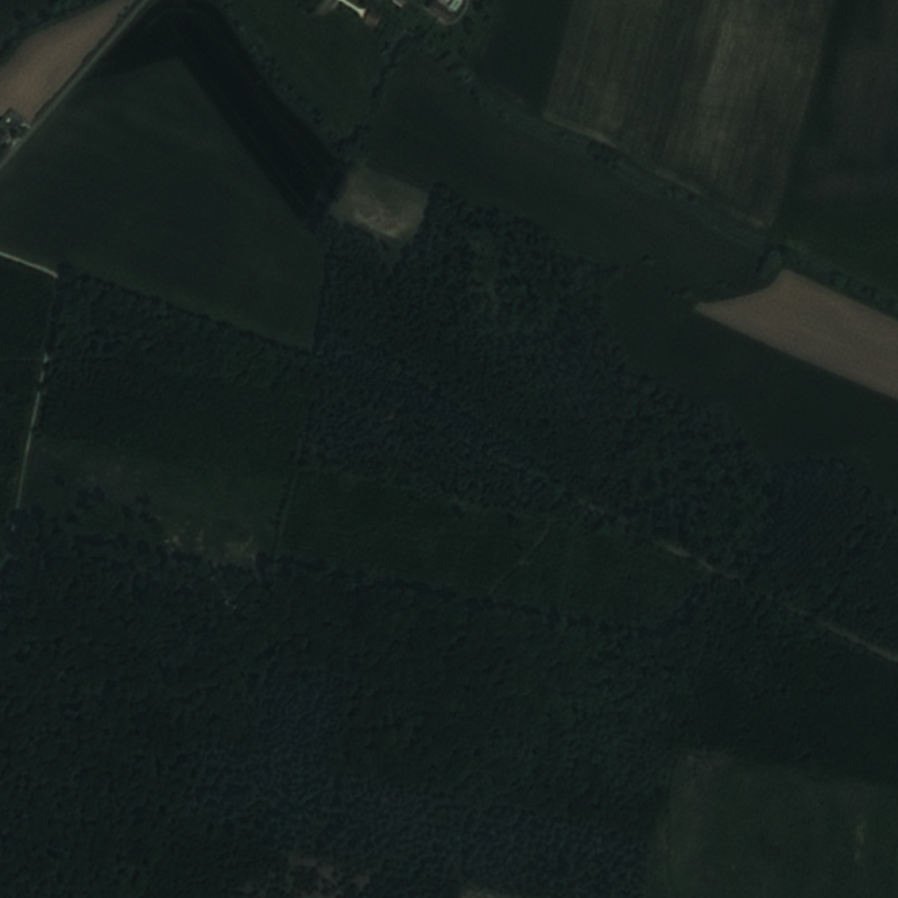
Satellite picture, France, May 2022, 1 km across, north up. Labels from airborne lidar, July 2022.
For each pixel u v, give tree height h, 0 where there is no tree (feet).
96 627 88
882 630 48
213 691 75
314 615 92
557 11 0
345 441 84
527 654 84
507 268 73
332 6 0
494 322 66
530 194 0
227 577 84
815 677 21
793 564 116
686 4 0
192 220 0
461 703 91
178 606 73
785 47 0
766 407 0
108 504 82
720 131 0
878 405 0
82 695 74
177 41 0
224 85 0
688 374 0
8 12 0
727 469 78
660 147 0
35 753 76
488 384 58
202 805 96
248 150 0
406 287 61
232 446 41
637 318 0
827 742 34
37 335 19
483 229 68
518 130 0
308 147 0
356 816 92
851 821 0
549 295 33
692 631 82
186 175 0
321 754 85
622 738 74
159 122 0
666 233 0
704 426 58
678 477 72
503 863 97
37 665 85
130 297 73
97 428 51
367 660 95
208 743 79
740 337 0
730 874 0
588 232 0
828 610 57
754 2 0
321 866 29
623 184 0
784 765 30
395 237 0
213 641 89
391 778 96
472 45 0
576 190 0
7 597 47
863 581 52
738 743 31
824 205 0
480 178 0
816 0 0
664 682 88
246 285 0
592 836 98
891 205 0
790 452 0
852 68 0
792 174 0
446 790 81
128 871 72
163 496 0
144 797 71
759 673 33
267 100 0
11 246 0
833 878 0
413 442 86
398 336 60
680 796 0
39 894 80
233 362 78
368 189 0
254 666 77
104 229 0
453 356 57
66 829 82
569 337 39
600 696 97
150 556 95
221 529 0
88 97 0
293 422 43
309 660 94
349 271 52
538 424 58
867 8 0
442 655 73
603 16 0
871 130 0
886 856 0
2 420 55
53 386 45
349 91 0
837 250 0
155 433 40
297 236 0
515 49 0
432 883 41
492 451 63
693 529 91
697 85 0
